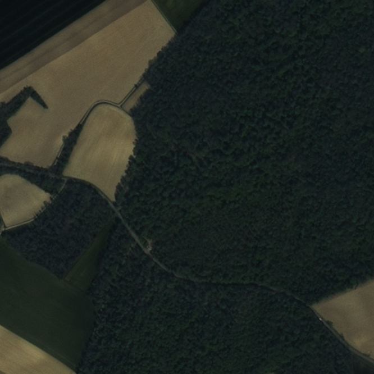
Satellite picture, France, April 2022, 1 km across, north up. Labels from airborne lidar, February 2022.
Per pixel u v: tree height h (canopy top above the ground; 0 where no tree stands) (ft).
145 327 88
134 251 55
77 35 0
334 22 89
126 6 0
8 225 0
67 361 0
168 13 0
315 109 90
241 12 99
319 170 83
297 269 79
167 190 94
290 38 32
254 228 69
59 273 58
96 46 0
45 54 0
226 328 89
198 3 0
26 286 0
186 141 102
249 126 68
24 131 0
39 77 0
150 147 106
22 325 0
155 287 64
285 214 65
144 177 41
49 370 0
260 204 48
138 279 94
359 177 76
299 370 72
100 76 0
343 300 0
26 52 0
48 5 0
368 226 80
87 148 0
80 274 0
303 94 90
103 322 72
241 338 76
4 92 0
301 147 75
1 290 0
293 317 87
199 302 93
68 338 0
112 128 0
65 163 61
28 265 0
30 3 0
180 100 94
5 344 0
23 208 0
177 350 68
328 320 0
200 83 89
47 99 0
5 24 0
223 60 71
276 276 80
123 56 0
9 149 0
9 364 0
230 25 84
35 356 0
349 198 88
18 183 0
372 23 83
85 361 72
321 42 84
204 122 101
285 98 58
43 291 0
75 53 0
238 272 88
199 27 95
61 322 0
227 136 94
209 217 68
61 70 0
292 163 103
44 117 0
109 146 0
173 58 110
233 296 73
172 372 53
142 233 88
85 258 0
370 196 91
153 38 0
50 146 0
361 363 0
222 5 80
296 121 80
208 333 85
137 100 0
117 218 0
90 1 0
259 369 85
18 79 0
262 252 75
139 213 69
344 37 95
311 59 86
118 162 0
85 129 0
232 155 89
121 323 82
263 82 92
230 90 81
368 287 0
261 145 71
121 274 37
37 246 59
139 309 80
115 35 0
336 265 105
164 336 84
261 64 84
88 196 91
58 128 0
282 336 85
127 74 0
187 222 62
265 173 65
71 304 0
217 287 100
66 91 0
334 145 74
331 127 35
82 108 0
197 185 75
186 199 89
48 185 53
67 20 0
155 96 85
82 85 0
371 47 89
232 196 89
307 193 82
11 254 0
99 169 0
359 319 0
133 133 0
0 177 0
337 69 91
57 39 0
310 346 93
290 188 51
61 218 96
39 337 0
